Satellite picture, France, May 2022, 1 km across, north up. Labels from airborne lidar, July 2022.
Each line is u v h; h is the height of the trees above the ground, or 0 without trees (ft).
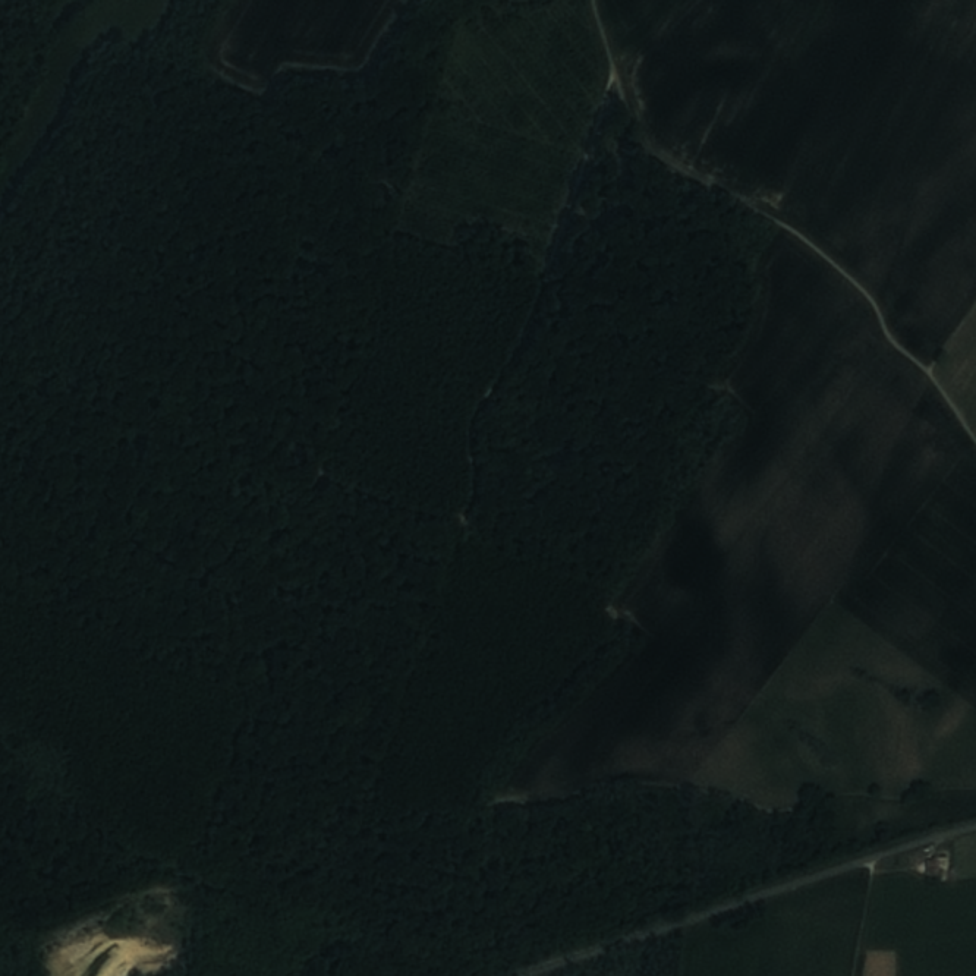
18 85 25
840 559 0
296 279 85
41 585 86
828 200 0
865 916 0
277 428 98
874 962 0
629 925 56
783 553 0
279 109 86
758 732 0
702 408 22
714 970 0
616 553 80
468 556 39
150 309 87
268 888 54
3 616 58
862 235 0
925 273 0
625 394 92
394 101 89
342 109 92
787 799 0
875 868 0
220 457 83
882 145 0
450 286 65
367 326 57
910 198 0
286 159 88
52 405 83
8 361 62
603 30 0
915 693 33
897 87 0
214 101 76
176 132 78
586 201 101
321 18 0
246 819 69
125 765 58
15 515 100
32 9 64
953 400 0
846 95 0
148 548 90
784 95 0
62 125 49
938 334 0
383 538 73
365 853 65
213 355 94
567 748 0
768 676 0
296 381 83
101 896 60
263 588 86
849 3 0
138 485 78
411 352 57
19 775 80
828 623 0
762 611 0
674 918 83
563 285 93
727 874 65
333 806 66
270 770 76
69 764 61
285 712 87
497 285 72
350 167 93
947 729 0
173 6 37
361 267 85
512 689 45
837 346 0
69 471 83
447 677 45
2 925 44
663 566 0
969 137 0
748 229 57
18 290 59
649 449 85
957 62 0
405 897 80
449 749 46
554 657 48
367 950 69
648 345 107
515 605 43
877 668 0
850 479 0
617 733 0
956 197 0
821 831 64
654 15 0
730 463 0
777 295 0
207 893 71
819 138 0
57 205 62
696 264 99
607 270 106
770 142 0
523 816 54
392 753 45
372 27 0
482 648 45
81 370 70
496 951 57
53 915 73
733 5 0
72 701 60
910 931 0
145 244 85
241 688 72
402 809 43
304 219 85
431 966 54
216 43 0
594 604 50
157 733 54
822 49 0
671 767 0
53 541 79
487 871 62
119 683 66
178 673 60
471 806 53
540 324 75
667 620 0
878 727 0
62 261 60
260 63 0
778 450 0
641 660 0
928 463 0
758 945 0
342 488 53
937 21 0
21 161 0
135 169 75
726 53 0
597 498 73
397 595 87
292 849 58
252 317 96
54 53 0
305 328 92
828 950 0
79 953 0
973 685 0
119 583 79
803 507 0
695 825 74
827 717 0
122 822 49
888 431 0
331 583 85
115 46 67
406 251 62
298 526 85
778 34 0
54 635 66
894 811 0
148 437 84
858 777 0
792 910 0
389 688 85
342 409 54
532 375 79
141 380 90
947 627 0
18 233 62
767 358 0
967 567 0
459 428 48
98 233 75
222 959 48
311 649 87
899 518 0
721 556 0
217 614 92
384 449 63
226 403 82
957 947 0
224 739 54
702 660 0
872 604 0
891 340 0
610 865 86
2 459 80
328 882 64
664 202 94
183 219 87
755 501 0
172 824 53
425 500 68
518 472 71
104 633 62
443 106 24
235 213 93
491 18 18
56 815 65
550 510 84
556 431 85
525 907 59
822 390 0
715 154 0
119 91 67
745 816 34
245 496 65
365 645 83
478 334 54
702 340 96
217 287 90
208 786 50
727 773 0
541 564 74
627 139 35
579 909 68
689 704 0
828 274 0
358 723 77
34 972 54
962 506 0
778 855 27
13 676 60
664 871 79
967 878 0
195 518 76
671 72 0
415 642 90
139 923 24
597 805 66
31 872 87
